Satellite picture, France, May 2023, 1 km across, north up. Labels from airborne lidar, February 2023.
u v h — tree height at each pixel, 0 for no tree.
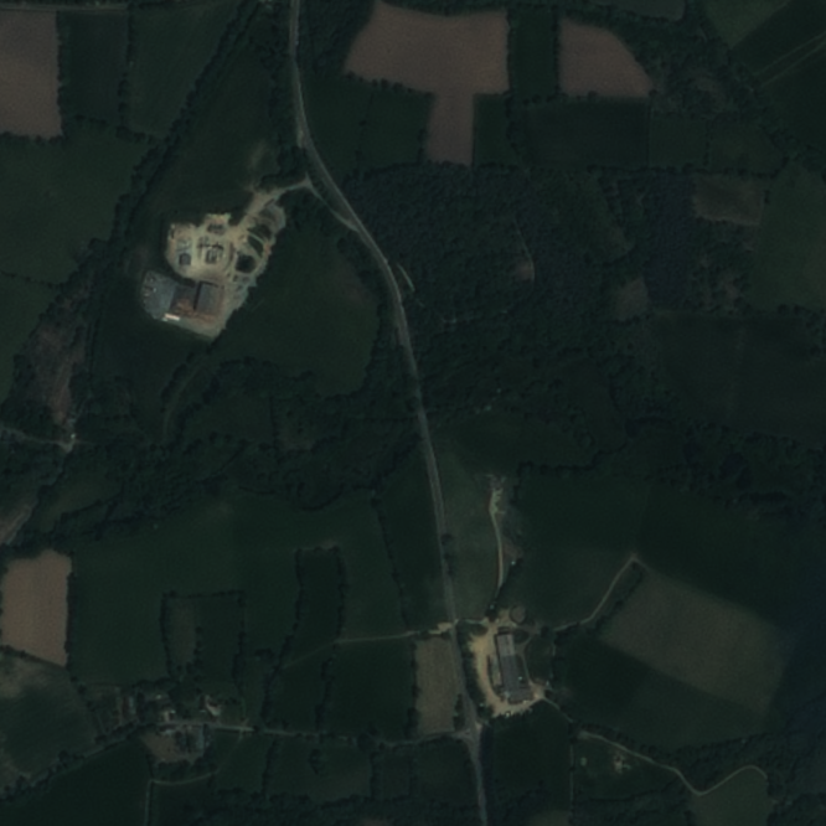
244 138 0
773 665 0
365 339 0
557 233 19
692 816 14
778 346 0
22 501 0
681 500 0
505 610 0
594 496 0
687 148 0
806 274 0
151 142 11
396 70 0
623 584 0
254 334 0
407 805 15
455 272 17
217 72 8
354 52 0
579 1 11
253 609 0
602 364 14
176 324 0
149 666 0
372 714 0
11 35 0
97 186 0
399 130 0
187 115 13
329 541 0
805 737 18
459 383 0
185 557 0
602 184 12
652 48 8
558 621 0
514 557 0
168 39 0
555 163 0
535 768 0
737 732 0
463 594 0
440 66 0
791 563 0
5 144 13
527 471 12
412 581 0
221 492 14
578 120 0
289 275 0
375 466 0
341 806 15
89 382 11
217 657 0
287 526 0
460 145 0
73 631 11
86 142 0
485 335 16
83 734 0
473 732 0
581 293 22
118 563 0
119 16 0
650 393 13
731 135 0
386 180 20
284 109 19
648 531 0
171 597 9
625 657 0
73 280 10
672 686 0
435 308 10
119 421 11
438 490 0
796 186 0
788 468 9
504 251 9
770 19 0
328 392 0
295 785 0
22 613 0
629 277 12
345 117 0
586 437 7
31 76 0
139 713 15
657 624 0
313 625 0
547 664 0
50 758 0
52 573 0
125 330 0
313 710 0
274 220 0
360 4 17
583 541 0
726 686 0
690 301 5
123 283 0
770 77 0
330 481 7
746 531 0
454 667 0
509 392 8
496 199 14
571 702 0
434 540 0
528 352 17
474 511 0
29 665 0
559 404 6
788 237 0
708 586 0
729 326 0
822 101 0
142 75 0
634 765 0
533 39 0
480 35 0
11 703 0
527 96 0
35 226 0
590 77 0
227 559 0
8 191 0
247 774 0
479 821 11
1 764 0
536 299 10
